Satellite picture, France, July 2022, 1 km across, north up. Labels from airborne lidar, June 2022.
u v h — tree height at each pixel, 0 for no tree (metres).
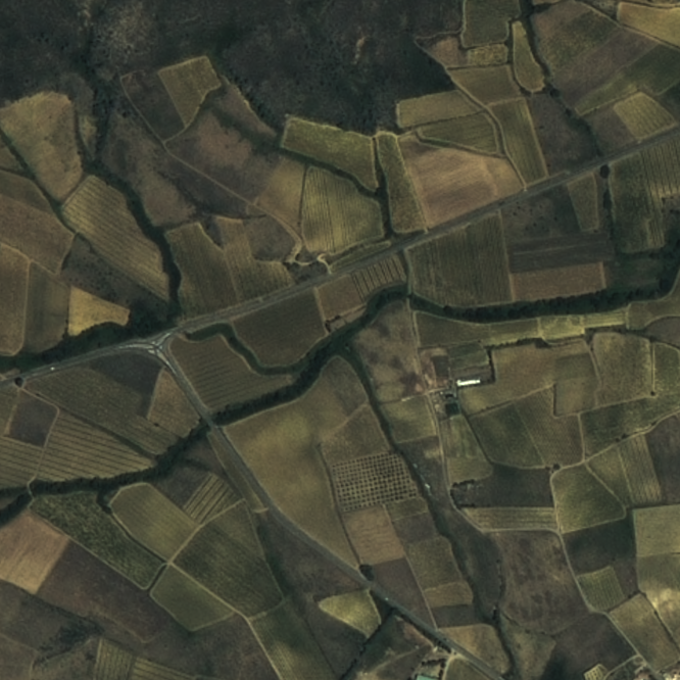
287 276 0
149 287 0
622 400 0
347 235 0
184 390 0
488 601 0
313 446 0
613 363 0
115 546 0
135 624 0
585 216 0
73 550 0
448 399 0
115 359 0
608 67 0
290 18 0
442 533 6
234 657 0
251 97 12
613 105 0
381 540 0
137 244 0
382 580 0
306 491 0
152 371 0
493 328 0
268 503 0
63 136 0
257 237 0
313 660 0
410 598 0
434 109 0
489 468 0
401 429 0
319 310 0
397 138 0
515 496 0
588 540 0
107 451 0
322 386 0
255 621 0
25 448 0
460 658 0
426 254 0
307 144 0
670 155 0
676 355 0
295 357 0
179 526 0
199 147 0
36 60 0
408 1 0
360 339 0
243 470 0
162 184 0
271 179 0
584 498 0
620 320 0
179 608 0
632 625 0
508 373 0
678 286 0
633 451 0
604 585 0
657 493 0
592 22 0
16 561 0
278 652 0
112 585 0
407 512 0
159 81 0
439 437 0
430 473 0
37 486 8
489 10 0
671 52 0
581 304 6
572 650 0
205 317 0
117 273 0
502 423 0
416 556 0
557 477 0
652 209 0
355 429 0
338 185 0
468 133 0
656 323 0
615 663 0
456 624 0
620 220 0
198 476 0
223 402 0
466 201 0
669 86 0
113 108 13
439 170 0
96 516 0
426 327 0
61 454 0
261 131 0
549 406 0
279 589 0
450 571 0
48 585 0
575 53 0
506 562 0
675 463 0
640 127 0
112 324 7
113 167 0
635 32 0
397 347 0
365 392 0
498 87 0
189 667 0
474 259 0
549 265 0
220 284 0
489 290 0
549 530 0
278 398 14
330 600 0
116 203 0
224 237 0
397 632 0
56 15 0
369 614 0
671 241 7
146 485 0
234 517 0
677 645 0
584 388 0
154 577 0
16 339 0
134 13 0
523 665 0
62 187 0
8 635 0
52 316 0
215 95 0
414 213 0
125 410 0
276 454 0
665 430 0
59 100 0
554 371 0
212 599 0
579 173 0
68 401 0
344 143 0
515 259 0
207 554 0
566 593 0
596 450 0
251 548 0
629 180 0
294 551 0
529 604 0
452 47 0
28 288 0
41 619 0
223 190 0
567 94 0
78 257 0
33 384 0
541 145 0
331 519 0
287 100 0
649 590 0
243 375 0
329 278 0
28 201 0
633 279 0
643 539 0
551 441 0
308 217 0
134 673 0
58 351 12
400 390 0
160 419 0
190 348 0
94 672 0
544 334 0
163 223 0
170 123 0
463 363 0
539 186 0
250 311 0
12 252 0
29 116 0
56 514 0
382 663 0
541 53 0
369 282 0
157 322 8
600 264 0
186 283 0
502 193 0
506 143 0
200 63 0
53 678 0
